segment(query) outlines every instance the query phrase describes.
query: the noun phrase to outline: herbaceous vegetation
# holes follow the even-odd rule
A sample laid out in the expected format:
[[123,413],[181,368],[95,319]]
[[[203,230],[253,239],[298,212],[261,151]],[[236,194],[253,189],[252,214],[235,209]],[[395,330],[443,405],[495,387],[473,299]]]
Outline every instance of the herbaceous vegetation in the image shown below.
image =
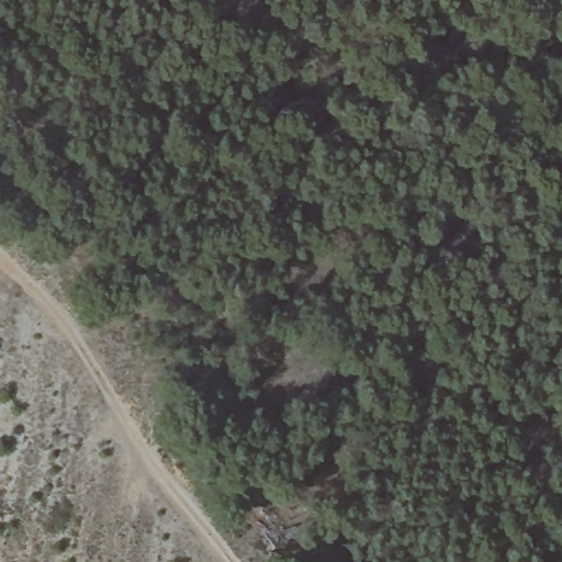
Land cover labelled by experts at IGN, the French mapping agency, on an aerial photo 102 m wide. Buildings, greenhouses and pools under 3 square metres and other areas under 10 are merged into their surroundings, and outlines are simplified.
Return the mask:
[[66,294],[72,290],[77,274],[83,270],[77,257],[57,263],[37,263],[24,257],[22,250],[13,244],[7,248],[9,255],[15,257],[31,277],[42,281],[44,288],[59,303],[68,303]]
[[86,342],[97,356],[103,356],[103,364],[116,386],[116,393],[123,395],[125,402],[130,402],[132,417],[141,426],[143,437],[151,446],[156,443],[154,424],[160,415],[160,391],[167,384],[167,380],[160,378],[162,367],[158,356],[145,353],[141,349],[141,342],[134,340],[134,331],[143,329],[147,316],[138,316],[136,321],[112,318],[105,325],[99,325],[97,329],[86,329]]
[[288,544],[299,536],[299,531],[303,531],[307,520],[305,514],[312,507],[292,507],[285,501],[272,505],[270,501],[266,501],[263,507],[255,507],[244,518],[235,520],[237,531],[226,540],[241,562],[268,562],[277,553],[274,549]]

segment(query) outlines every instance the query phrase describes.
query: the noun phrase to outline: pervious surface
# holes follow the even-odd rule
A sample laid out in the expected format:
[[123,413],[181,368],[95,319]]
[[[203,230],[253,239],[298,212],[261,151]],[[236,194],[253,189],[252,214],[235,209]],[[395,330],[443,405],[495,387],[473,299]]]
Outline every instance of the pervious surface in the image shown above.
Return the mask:
[[241,562],[226,540],[215,529],[211,518],[204,514],[200,501],[191,492],[189,479],[180,472],[180,468],[176,472],[167,470],[156,443],[151,446],[143,437],[141,426],[132,417],[130,402],[125,402],[123,395],[116,393],[116,386],[103,364],[103,356],[97,356],[86,342],[86,329],[70,312],[68,303],[59,303],[44,288],[42,281],[31,277],[15,257],[9,255],[7,248],[0,246],[0,270],[9,279],[20,283],[24,294],[31,296],[29,305],[24,305],[18,314],[18,340],[26,345],[29,338],[35,331],[40,331],[55,340],[68,340],[75,347],[75,353],[86,367],[92,384],[101,389],[110,411],[119,417],[130,441],[141,452],[145,468],[151,472],[151,476],[158,481],[158,485],[171,498],[171,503],[187,516],[187,520],[200,533],[204,547],[213,555],[217,555],[220,562]]

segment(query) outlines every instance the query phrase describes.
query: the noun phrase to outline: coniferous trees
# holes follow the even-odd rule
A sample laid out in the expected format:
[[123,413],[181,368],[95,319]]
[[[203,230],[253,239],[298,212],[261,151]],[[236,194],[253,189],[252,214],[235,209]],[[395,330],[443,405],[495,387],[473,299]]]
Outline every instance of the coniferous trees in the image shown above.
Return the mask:
[[162,367],[160,378],[167,380],[167,384],[160,391],[160,415],[154,424],[156,443],[167,470],[176,472],[180,468],[180,472],[189,479],[191,492],[200,501],[204,514],[211,518],[215,529],[226,540],[237,531],[235,520],[244,518],[255,507],[263,507],[266,501],[270,501],[272,505],[285,501],[292,507],[312,507],[305,514],[307,520],[303,531],[299,531],[299,536],[288,544],[274,549],[277,553],[268,562],[562,562],[562,0],[0,0],[0,246],[7,248],[13,244],[22,250],[24,257],[37,263],[57,263],[77,257],[83,270],[77,274],[72,290],[66,294],[68,303],[70,312],[86,329],[97,329],[99,325],[105,325],[112,318],[136,321],[138,316],[147,316],[143,329],[134,331],[134,340],[141,342],[141,349],[145,353],[158,356]]

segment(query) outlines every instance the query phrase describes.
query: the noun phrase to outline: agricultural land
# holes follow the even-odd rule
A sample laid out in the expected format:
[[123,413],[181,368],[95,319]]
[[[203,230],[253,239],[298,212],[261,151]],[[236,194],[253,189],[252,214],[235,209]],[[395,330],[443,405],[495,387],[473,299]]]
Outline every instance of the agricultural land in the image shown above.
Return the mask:
[[204,547],[200,533],[187,520],[187,516],[171,503],[171,498],[158,485],[158,481],[151,476],[151,472],[145,468],[141,452],[130,441],[119,417],[110,411],[101,389],[92,384],[86,367],[75,353],[75,347],[68,340],[55,340],[40,331],[35,331],[29,338],[26,345],[18,340],[18,314],[24,305],[29,305],[31,296],[24,294],[20,283],[9,279],[0,270],[0,562],[220,562],[217,555],[213,555]]

